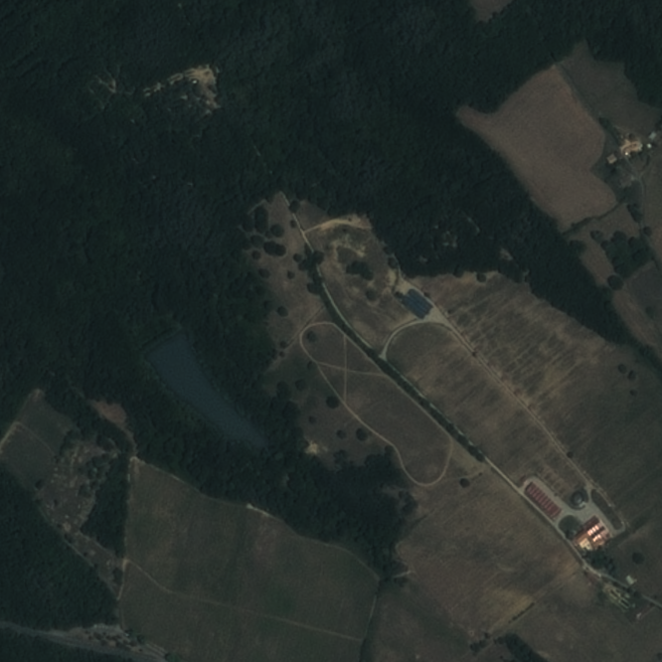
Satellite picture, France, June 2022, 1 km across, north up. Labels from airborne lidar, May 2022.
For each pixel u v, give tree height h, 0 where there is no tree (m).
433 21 15
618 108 0
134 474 0
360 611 0
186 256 15
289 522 9
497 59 18
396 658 0
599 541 0
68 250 10
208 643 0
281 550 0
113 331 25
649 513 0
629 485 0
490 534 0
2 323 20
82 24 19
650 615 0
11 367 12
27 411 0
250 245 8
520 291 0
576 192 0
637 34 18
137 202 11
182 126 16
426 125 7
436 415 11
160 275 14
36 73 17
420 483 0
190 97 17
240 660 0
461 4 19
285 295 0
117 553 13
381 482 12
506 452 0
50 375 10
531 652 13
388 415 0
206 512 0
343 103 26
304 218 0
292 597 0
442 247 14
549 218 11
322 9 25
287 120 15
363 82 22
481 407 0
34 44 17
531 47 17
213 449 19
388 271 0
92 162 22
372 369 0
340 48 24
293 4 26
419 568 0
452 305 0
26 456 0
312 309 0
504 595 0
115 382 12
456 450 0
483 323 0
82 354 17
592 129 0
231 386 14
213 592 0
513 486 0
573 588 0
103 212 13
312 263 10
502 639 9
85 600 15
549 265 18
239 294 14
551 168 0
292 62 13
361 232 0
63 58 20
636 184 0
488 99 20
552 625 0
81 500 0
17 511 19
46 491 0
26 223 14
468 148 11
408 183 8
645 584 0
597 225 0
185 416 12
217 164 16
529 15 19
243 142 16
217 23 18
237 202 17
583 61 0
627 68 9
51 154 18
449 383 0
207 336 14
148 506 0
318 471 14
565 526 0
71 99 17
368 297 9
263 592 0
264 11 21
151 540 0
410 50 16
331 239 0
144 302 18
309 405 0
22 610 19
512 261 9
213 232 17
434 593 0
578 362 0
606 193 0
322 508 10
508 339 0
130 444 14
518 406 0
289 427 15
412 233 13
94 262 23
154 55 14
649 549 0
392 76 22
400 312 0
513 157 0
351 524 13
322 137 22
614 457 0
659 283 0
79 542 0
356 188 21
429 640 0
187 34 16
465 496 0
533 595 0
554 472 0
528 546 0
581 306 21
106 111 14
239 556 0
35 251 19
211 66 9
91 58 19
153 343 9
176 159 22
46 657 17
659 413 0
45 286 19
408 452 0
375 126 9
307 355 0
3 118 21
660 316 0
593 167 0
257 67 21
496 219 16
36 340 15
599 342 0
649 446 0
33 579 13
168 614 0
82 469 12
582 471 0
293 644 0
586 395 0
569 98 0
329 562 0
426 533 0
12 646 15
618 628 0
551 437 0
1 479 15
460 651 0
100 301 17
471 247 15
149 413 13
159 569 0
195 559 0
